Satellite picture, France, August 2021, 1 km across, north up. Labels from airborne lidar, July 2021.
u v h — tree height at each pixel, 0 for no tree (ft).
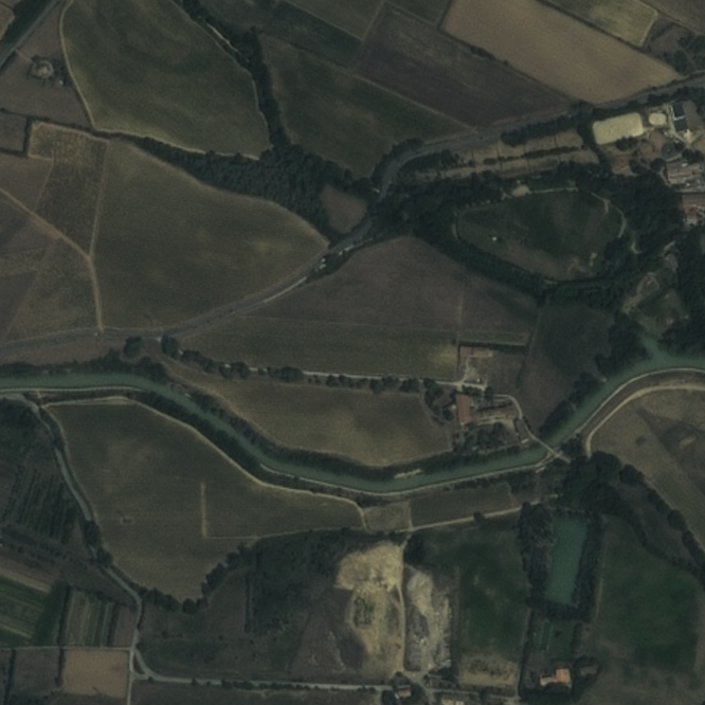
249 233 0
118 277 0
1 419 42
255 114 0
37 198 0
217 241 0
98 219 0
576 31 0
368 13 0
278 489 0
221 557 0
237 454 41
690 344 55
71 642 0
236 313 0
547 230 0
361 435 0
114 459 0
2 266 0
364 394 0
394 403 0
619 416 0
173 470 0
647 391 0
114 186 0
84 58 0
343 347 0
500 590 0
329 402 0
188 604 49
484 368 0
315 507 0
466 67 0
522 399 0
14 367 33
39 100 0
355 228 21
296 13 0
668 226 86
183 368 0
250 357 0
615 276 49
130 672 0
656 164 34
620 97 0
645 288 0
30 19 18
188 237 0
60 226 0
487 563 0
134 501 0
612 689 0
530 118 0
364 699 0
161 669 0
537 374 0
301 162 73
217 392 0
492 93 0
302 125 0
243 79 0
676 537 0
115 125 0
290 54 0
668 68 0
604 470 79
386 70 0
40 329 0
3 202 0
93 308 0
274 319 0
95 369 18
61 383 0
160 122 0
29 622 0
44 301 0
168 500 0
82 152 0
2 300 0
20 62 0
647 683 0
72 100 0
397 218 26
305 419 0
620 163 0
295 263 0
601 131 0
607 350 0
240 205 0
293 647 0
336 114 0
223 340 0
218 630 0
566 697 70
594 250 0
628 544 0
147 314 0
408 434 0
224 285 0
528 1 0
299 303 0
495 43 0
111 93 0
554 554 0
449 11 0
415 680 0
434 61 0
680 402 0
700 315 36
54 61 22
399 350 0
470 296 0
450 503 0
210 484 0
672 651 0
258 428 0
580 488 73
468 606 0
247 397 0
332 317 0
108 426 0
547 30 0
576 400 36
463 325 0
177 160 22
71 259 0
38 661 0
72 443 0
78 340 0
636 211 39
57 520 26
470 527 0
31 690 0
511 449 20
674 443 0
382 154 0
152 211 0
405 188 24
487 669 0
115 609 20
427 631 0
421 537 39
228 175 52
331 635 0
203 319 0
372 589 0
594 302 47
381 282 0
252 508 0
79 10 0
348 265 0
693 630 0
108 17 0
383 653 0
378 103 0
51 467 0
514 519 0
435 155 25
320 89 0
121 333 0
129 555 0
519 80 0
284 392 0
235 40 27
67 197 0
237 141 0
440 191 58
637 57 0
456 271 0
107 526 0
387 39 0
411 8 0
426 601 0
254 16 0
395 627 0
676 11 0
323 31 0
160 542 0
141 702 0
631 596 0
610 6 0
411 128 0
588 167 25
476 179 37
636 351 44
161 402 55
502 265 36
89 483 0
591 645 0
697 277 47
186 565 0
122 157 0
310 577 0
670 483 0
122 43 0
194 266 0
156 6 0
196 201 0
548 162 0
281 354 0
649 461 0
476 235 0
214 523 0
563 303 27
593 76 0
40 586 0
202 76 0
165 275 0
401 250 0
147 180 0
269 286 0
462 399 0
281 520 0
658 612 0
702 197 0
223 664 0
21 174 0
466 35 0
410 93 0
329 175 51
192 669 0
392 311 0
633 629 0
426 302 0
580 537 0
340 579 0
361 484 0
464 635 0
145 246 0
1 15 0
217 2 0
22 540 28
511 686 0
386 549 0
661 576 0
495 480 31
